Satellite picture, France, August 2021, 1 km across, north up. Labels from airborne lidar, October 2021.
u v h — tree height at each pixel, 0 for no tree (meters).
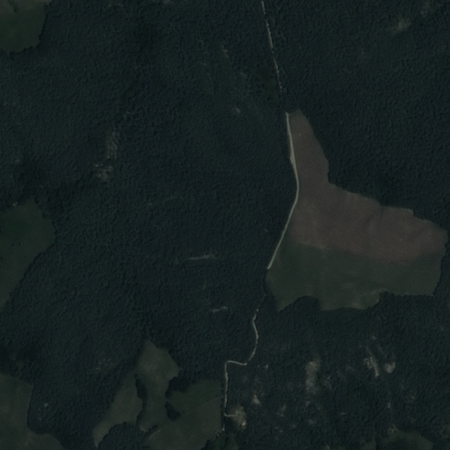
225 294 12
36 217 0
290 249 0
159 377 0
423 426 11
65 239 12
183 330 15
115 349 6
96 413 13
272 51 7
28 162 18
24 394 0
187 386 16
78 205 9
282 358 7
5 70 7
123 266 16
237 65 10
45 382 14
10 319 9
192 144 10
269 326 7
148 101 19
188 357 13
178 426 0
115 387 13
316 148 0
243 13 8
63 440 15
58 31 11
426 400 12
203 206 11
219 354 10
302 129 0
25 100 9
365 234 0
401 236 0
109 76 18
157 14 14
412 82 10
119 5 9
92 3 13
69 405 11
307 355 8
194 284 6
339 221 0
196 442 0
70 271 10
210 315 7
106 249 12
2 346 13
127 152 8
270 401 10
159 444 0
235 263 8
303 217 0
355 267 0
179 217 11
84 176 18
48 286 7
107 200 13
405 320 10
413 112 11
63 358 7
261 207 13
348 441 14
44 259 10
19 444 0
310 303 9
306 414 9
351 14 10
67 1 14
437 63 12
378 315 9
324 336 6
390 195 15
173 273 10
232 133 6
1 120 8
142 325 13
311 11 8
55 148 8
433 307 7
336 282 0
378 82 7
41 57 10
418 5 9
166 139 12
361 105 9
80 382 11
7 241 0
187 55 8
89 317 7
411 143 9
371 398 16
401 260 0
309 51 10
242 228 8
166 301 14
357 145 12
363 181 9
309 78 13
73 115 10
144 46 10
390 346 8
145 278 10
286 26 13
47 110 11
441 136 10
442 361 9
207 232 9
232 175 7
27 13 0
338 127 14
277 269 0
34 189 15
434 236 0
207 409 0
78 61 10
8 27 0
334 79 9
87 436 12
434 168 12
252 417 8
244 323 9
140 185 9
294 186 9
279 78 6
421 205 9
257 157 9
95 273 6
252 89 9
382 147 10
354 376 10
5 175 10
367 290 0
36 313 8
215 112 5
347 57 10
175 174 7
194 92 7
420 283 0
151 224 7
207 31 7
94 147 15
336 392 10
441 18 10
